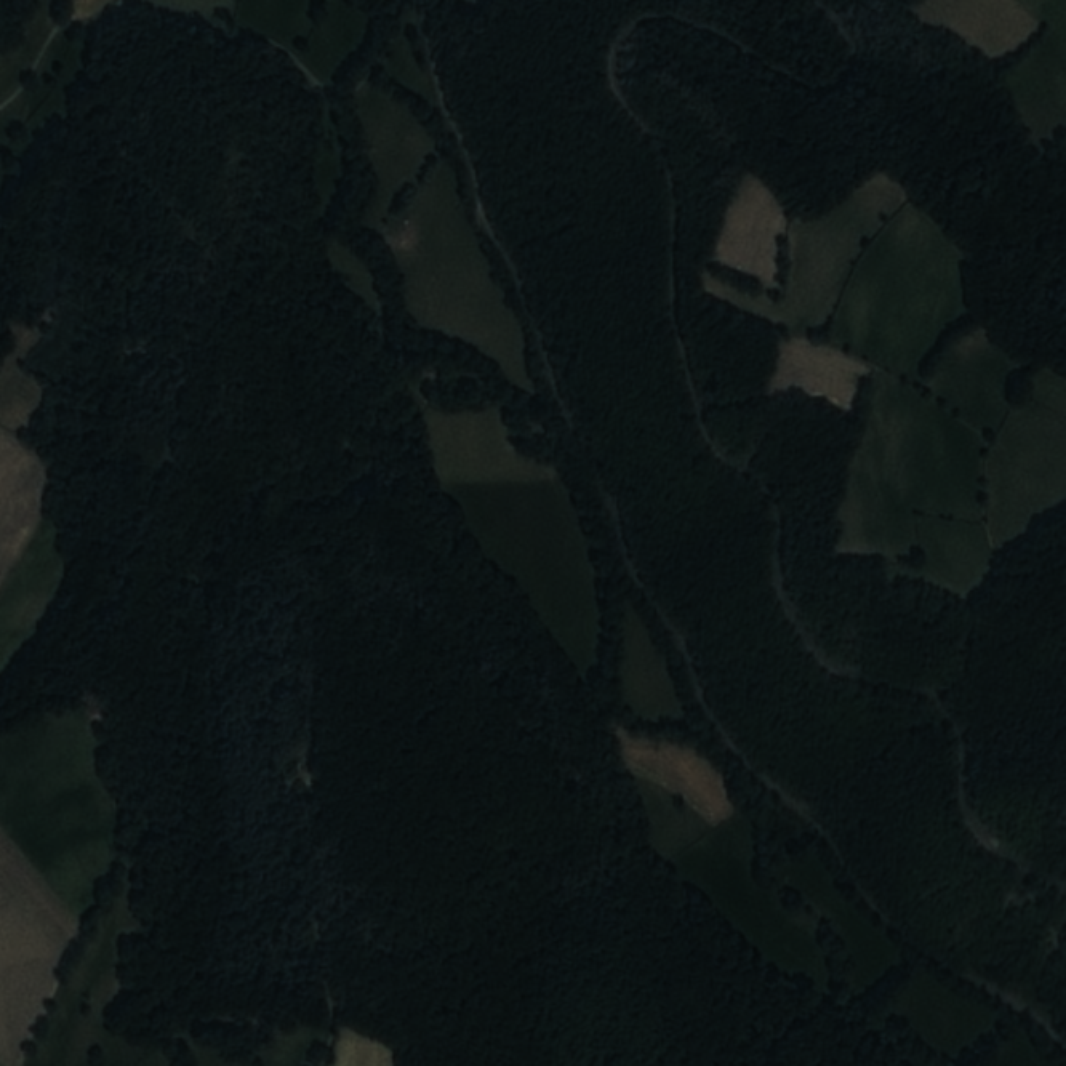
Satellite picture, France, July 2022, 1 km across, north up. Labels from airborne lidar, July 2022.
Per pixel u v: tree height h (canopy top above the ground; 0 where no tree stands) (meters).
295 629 21
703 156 16
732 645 13
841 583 17
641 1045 16
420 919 16
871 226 0
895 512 0
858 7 17
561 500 0
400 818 26
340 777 22
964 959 19
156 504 17
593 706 20
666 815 0
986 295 19
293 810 18
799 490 17
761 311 0
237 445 15
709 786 0
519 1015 30
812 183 20
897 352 0
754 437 6
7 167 22
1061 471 0
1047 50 0
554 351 22
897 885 19
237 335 21
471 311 0
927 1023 0
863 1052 31
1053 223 22
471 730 21
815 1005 25
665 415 18
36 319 13
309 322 25
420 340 18
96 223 28
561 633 0
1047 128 0
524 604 13
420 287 0
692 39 12
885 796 16
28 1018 0
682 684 23
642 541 17
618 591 20
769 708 9
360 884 14
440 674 19
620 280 19
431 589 20
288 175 23
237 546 25
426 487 15
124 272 21
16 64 0
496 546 0
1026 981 12
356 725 22
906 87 24
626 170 21
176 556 22
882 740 18
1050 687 18
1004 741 12
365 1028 17
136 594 18
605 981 21
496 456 0
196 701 23
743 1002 33
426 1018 27
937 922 17
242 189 6
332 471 22
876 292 0
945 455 0
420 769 23
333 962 16
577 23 18
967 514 0
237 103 16
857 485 0
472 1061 17
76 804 0
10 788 0
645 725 15
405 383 19
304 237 29
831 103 20
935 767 22
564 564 0
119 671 18
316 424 20
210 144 9
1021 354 21
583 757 16
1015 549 16
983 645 15
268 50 17
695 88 21
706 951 30
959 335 12
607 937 23
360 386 15
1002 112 25
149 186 18
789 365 0
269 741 18
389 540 14
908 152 22
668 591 22
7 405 0
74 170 17
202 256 11
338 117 22
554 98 16
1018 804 10
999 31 0
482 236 15
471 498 0
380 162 0
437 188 0
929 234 0
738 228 0
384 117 0
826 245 0
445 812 22
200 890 23
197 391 12
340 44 0
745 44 12
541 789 22
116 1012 25
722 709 17
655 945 31
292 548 14
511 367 0
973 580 0
